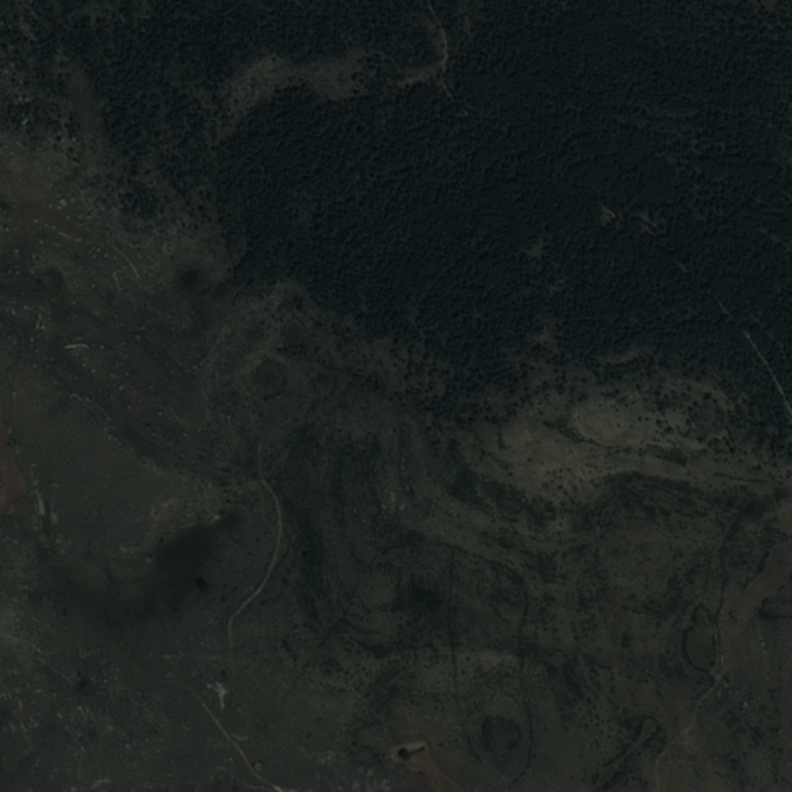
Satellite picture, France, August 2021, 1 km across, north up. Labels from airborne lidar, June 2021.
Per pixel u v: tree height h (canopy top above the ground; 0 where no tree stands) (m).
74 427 0
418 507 0
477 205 8
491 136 10
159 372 0
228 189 7
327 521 0
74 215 0
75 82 0
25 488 0
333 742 0
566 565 0
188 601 0
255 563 0
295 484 0
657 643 0
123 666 0
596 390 0
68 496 0
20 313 0
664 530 0
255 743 0
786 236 9
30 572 0
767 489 0
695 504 0
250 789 0
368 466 0
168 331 0
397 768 0
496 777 0
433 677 0
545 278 9
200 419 0
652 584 0
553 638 0
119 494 0
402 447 0
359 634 0
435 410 6
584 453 0
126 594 0
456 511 0
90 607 0
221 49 7
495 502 0
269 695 0
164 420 0
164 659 0
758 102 8
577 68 13
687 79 8
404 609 0
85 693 0
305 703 0
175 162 8
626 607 0
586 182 11
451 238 9
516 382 6
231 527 0
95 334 0
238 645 0
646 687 0
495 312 10
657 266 12
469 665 0
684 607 0
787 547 0
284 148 13
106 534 0
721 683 0
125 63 11
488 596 0
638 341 7
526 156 11
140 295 0
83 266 0
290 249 9
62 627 0
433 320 8
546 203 11
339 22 6
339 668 0
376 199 8
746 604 0
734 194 8
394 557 0
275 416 0
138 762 0
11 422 0
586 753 0
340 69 0
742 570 0
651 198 12
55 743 0
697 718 0
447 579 0
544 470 0
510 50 6
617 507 0
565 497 0
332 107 10
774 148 6
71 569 0
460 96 7
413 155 12
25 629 0
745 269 8
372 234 9
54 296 0
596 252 9
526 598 0
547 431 0
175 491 0
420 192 9
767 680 0
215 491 0
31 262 0
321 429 0
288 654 0
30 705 0
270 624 0
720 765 0
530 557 0
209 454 0
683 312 10
